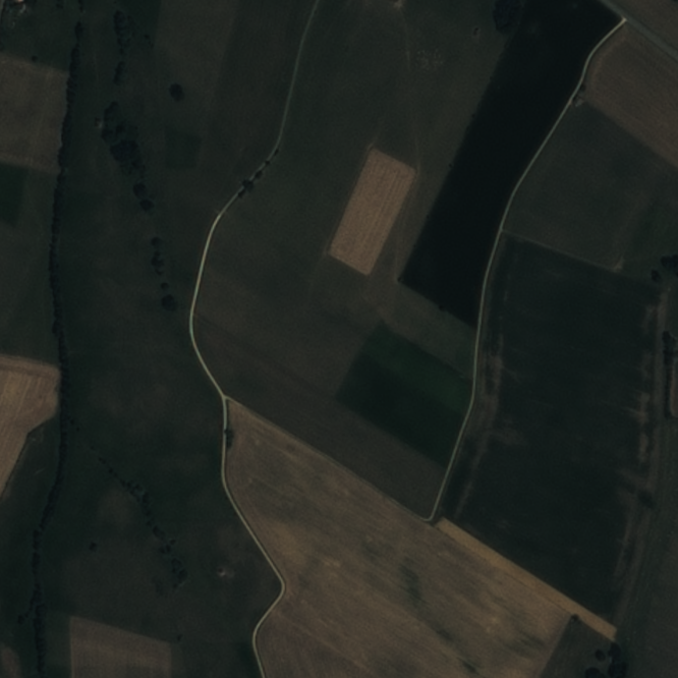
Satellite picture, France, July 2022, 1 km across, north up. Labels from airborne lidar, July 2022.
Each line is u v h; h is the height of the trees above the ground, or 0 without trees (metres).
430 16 0
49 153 0
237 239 0
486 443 0
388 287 0
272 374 0
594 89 0
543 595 0
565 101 0
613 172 0
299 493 0
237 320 0
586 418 0
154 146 0
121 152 24
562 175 0
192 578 0
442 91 0
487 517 0
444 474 0
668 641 0
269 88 0
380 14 0
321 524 0
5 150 0
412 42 0
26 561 0
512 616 0
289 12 0
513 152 0
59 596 0
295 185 0
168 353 0
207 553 0
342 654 0
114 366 0
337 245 0
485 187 0
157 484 0
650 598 0
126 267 0
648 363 0
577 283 0
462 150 0
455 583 0
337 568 0
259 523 0
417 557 0
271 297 0
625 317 0
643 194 0
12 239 0
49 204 0
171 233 0
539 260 0
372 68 0
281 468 0
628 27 0
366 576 0
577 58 0
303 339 0
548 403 0
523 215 0
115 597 0
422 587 0
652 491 0
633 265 0
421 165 0
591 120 0
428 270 0
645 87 0
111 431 0
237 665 0
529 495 0
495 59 0
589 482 0
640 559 0
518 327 0
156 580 0
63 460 13
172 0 0
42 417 0
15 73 0
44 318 0
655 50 0
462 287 0
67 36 0
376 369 0
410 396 0
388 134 0
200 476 0
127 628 0
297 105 0
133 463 0
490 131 0
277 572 0
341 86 0
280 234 0
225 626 0
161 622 0
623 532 0
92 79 0
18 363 0
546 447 0
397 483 0
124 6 0
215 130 0
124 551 0
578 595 0
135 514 0
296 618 0
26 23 0
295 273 0
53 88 0
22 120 0
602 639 0
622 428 0
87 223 0
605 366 0
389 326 0
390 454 0
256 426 0
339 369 0
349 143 0
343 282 0
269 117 0
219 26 0
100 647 0
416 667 0
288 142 0
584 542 0
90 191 0
